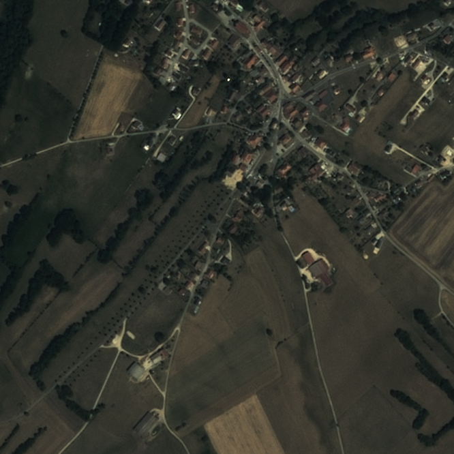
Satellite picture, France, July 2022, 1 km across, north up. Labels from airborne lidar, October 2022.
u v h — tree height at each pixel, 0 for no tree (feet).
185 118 0
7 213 0
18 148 0
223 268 31
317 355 0
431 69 0
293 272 0
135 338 0
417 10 53
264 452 0
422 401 0
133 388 0
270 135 31
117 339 0
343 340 0
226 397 0
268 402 0
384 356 0
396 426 0
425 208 0
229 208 0
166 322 0
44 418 0
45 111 0
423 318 77
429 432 0
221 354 0
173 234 0
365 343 0
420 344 0
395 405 0
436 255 0
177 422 0
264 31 0
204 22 0
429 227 0
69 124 0
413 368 0
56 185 0
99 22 0
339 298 0
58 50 0
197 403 0
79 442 0
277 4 0
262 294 0
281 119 0
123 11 22
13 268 40
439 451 0
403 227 0
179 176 45
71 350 0
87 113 0
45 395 0
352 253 0
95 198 0
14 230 71
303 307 0
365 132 0
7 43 52
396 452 0
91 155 0
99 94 0
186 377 0
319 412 0
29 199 0
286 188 28
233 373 0
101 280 0
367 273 0
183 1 0
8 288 67
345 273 0
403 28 0
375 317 0
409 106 0
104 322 0
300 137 0
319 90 0
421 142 0
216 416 0
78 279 0
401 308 0
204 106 0
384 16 61
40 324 0
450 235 0
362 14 61
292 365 0
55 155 0
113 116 0
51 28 0
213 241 0
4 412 0
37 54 0
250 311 0
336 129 0
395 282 0
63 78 0
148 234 0
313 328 0
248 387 0
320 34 39
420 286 0
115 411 0
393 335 0
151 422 0
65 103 0
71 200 0
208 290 0
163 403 0
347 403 0
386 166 0
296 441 0
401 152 0
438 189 0
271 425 0
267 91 0
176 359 0
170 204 0
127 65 0
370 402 0
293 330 0
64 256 0
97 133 0
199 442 0
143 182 0
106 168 0
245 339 0
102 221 0
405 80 0
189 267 0
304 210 0
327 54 19
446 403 0
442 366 0
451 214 0
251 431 0
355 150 0
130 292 0
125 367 0
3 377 0
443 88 0
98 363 0
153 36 0
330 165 0
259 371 0
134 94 0
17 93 0
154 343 0
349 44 59
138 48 23
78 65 0
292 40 32
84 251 0
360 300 0
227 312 0
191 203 0
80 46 0
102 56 19
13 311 0
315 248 0
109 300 24
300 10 0
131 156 0
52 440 0
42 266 21
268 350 0
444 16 37
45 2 0
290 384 0
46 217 0
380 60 41
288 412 0
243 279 0
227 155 37
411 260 0
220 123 0
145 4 0
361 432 0
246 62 0
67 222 58
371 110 0
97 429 0
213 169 0
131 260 0
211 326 0
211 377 0
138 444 0
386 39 0
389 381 0
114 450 0
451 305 0
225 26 0
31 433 0
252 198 65
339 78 0
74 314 0
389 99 0
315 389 0
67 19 0
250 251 0
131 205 0
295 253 0
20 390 0
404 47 0
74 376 0
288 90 0
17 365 0
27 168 0
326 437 0
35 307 0
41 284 43
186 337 0
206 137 26
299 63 38
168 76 0
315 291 22
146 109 0
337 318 0
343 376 0
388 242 0
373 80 0
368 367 0
